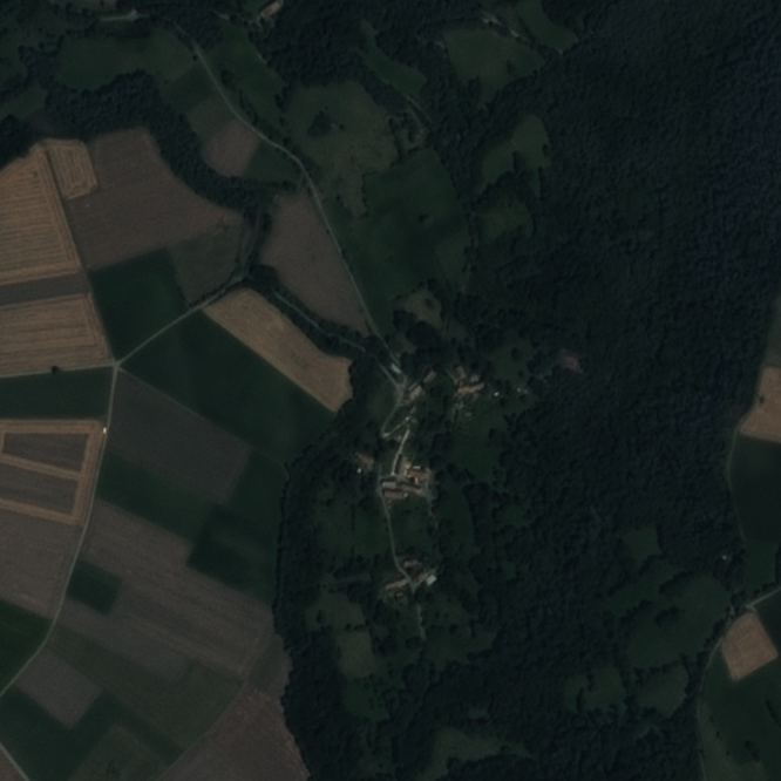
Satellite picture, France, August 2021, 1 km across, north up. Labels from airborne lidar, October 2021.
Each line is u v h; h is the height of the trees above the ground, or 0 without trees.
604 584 18
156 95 17
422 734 29
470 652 0
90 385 0
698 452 16
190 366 0
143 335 0
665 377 30
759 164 21
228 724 0
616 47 19
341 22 24
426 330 22
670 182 13
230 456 0
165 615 0
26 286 0
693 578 17
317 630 0
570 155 19
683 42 14
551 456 16
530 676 33
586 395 23
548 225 19
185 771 0
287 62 13
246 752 0
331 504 12
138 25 8
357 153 0
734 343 23
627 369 18
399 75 0
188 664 0
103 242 0
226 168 0
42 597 0
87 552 0
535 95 19
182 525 0
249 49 0
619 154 24
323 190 0
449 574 15
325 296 0
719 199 19
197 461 0
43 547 0
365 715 0
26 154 14
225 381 0
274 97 0
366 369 12
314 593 20
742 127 15
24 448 0
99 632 0
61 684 0
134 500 0
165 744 0
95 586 0
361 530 0
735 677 0
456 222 0
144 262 0
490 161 0
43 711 0
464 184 13
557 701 21
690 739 16
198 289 0
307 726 27
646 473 23
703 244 26
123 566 0
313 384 0
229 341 0
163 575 0
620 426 25
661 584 0
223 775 0
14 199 0
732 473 0
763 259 17
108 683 0
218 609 0
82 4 0
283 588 11
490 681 33
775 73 16
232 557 0
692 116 15
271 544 0
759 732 0
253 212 14
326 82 16
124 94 16
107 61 0
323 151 0
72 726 0
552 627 30
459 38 0
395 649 18
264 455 0
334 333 16
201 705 0
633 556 10
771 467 0
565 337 18
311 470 10
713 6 13
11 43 0
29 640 0
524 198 15
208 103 0
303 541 23
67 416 0
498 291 6
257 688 0
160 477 0
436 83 7
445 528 9
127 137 0
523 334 19
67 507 0
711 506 24
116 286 0
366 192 10
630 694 7
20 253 0
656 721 21
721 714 0
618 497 23
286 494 9
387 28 14
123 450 0
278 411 0
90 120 17
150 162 0
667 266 18
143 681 0
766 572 0
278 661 0
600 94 22
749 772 0
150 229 0
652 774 25
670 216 18
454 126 16
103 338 0
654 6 14
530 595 24
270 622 0
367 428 11
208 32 17
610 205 7
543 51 15
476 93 10
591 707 0
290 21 24
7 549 0
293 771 0
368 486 15
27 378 0
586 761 27
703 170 21
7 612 0
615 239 17
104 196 0
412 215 0
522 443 12
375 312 0
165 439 0
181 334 0
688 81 16
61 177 0
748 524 0
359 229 0
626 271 19
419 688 22
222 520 0
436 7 19
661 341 24
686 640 0
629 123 25
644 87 16
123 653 0
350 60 14
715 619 0
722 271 23
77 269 0
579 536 19
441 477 17
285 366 0
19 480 0
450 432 9
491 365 11
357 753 18
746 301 16
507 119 16
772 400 0
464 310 13
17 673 0
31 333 0
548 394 19
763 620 0
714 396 16
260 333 0
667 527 23
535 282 26
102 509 0
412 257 0
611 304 27
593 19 15
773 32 16
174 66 0
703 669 15
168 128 19
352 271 8
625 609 0
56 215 0
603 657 24
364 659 0
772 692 0
